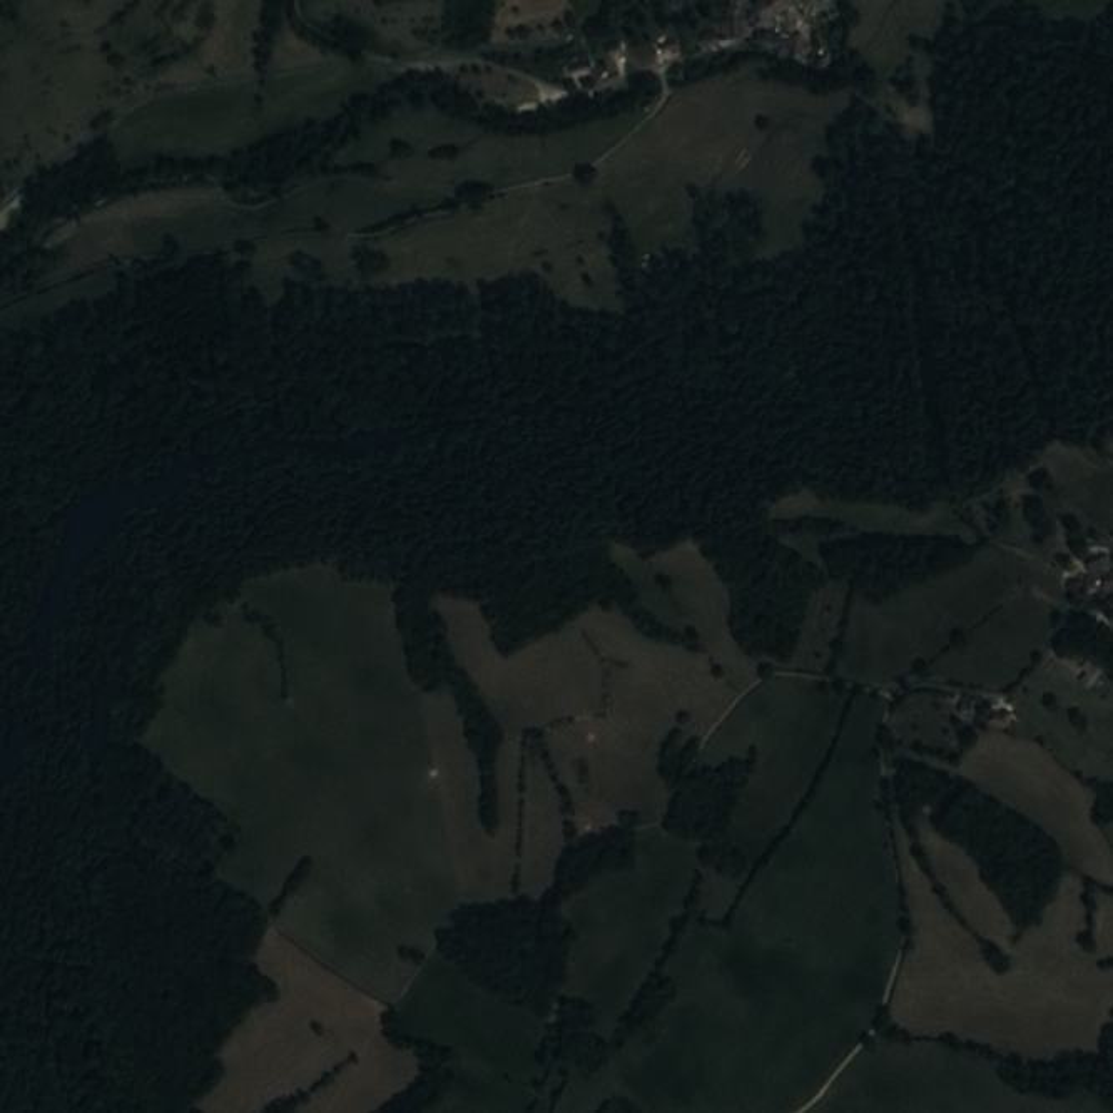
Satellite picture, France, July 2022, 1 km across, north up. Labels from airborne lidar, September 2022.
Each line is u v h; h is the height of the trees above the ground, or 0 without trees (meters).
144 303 18
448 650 12
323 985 0
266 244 0
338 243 0
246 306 29
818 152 0
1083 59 18
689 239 0
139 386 27
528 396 25
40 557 23
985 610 0
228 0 0
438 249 0
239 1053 0
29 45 0
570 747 0
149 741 0
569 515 26
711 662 0
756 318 31
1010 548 0
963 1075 0
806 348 27
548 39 0
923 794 15
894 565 20
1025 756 0
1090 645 12
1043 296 25
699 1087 0
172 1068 12
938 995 0
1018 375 29
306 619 0
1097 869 0
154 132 0
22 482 23
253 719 0
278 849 0
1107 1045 16
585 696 0
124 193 17
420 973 0
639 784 0
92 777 16
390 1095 0
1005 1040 0
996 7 0
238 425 33
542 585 12
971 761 0
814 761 0
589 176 14
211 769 0
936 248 30
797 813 6
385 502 31
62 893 27
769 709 0
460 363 28
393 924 0
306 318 26
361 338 24
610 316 15
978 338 34
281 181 18
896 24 0
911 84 15
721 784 13
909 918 10
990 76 28
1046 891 18
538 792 0
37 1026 22
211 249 0
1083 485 0
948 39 15
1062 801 0
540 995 17
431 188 0
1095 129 25
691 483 29
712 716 0
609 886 0
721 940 0
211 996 21
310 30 15
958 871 0
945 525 0
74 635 20
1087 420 11
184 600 13
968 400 30
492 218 0
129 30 0
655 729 0
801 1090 0
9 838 25
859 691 12
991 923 0
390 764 0
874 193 28
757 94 0
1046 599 0
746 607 14
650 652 0
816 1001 0
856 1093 0
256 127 0
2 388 19
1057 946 0
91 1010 23
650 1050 0
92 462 20
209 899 17
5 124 0
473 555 13
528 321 31
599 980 0
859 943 0
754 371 20
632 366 29
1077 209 22
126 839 11
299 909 0
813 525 11
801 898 0
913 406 26
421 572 15
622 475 31
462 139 0
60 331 27
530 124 12
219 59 0
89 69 0
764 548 17
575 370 29
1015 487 0
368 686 0
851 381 42
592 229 0
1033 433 16
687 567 0
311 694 0
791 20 0
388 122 0
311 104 0
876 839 0
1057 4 0
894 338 34
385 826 0
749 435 31
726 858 19
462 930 23
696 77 7
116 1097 20
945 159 8
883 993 0
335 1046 0
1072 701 0
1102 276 17
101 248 0
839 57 9
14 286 12
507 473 28
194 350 21
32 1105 19
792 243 0
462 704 9
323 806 0
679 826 13
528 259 0
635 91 15
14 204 0
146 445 25
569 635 0
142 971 24
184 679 0
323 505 27
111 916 18
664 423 28
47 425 25
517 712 0
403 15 0
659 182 0
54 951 26
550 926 18
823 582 14
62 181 12
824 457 21
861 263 35
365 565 14
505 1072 0
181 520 28
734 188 0
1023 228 33
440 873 0
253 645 0
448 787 0
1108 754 0
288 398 30
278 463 25
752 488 27
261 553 23
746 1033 0
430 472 27
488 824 12
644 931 0
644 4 11
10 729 27
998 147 17
